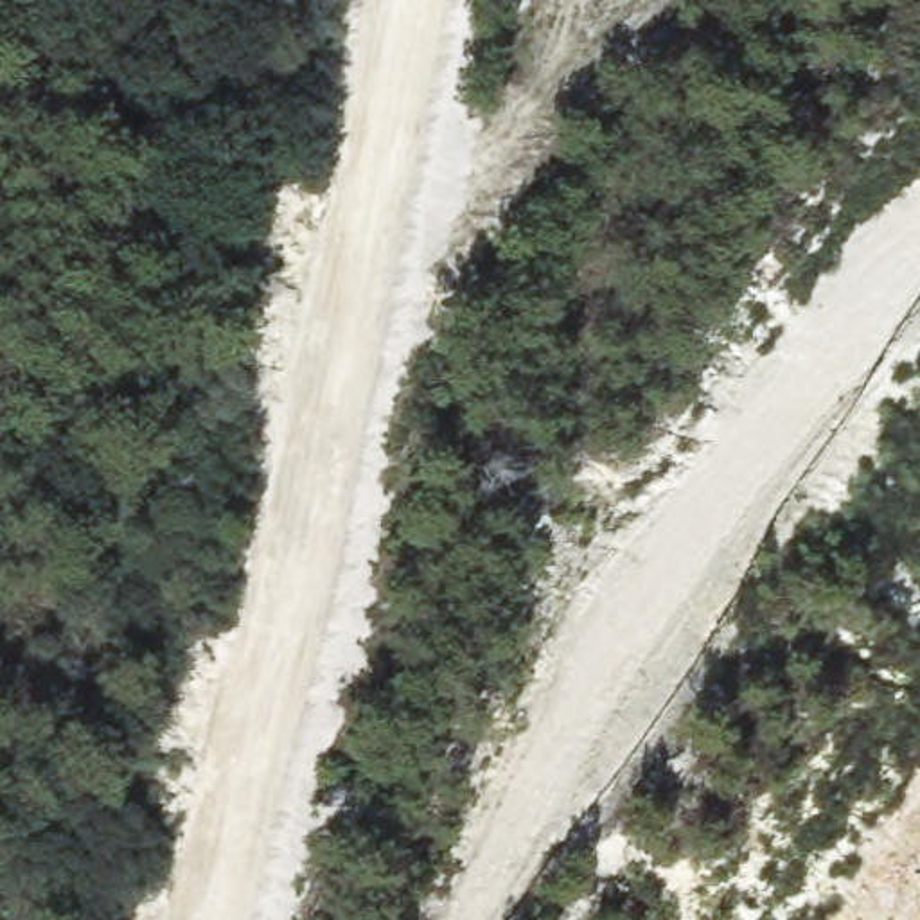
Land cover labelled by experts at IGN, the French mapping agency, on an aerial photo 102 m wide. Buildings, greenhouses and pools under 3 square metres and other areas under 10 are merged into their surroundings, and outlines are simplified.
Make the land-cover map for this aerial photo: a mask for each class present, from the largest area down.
<instances>
[{"label":"coniferous trees","instance_id":"1","mask_svg":"<svg viewBox=\"0 0 920 920\"><path fill-rule=\"evenodd\" d=\"M349 0H0V615H18L29 604L47 611L54 604L58 582H86L97 557L108 546H119V528H137L133 514L140 489L173 456H183V438L176 424L183 420V413L208 399L201 388L187 385L180 370L187 363H205V331L212 323H230L241 331L259 327L262 309L270 302V280L284 270V255L270 244L277 194L284 187H298L305 194H323L338 165L345 115ZM471 40L467 65L460 72V101L474 119L482 111H500L507 86L521 75L514 58L518 0H467ZM884 4L891 0H672L658 18H650L640 29L615 25L611 32H604L600 58L571 72L568 86L557 90L553 155L510 198V205H503L500 226L478 230L471 255L460 259V280L442 298V309L453 316V323L410 352L406 377L399 381V395L385 435L388 467L381 474L385 496L392 503L381 518L377 550L392 564L374 582V604L367 607V668L338 694L345 722L334 744L316 758L313 805H327L334 791H345V809L305 837V870L313 873V895L302 906L298 920H428L420 906L424 898H431L428 891L435 873H464L460 859H453V848L460 841L467 809L478 798L471 787V755L485 740V730L492 722V694L503 704L521 701L539 661V647L528 636L532 615L539 607L535 582L546 575L553 539L546 528H539V514H553L561 525H597V503H586V485L579 482V471L593 460L622 467L643 456L654 442V424L661 417L694 413L701 420V374L712 367L715 356L708 334L722 331V320L733 316L740 291L751 288V270L762 255H769L773 219L801 198V190L823 180L816 147L827 144L837 122L855 119L859 104L870 97L866 68L880 65V25L888 22ZM877 453L884 456V464L877 467L870 456H863L855 478L848 482V500L837 510H809L794 528L791 543H776V528L765 525L751 568L740 579V589L730 604L737 622L733 647L701 654V694L690 704H683L676 726L665 730V737L654 748H647L633 776V791L615 809L622 819V834L636 848H647L661 866H694L712 855H722L715 880H726L737 877L748 863V812L751 801L765 794L776 780L794 773L805 758H812L827 744V737L837 733L841 719H852L845 704L848 668H870L866 658L877 647L873 618L895 622L906 611L891 600L898 586L895 564H906L920 582V406H906L902 399L880 403ZM190 765V755L183 748L165 751L158 737L137 751V769L155 780L158 769H173L180 776ZM604 834L600 805H589L571 823L568 837L543 855L528 891L507 906L503 920H679L676 895L665 888L661 877L647 873L640 863H625L618 873L597 870V845Z\"/></svg>","mask_w":920,"mask_h":920},{"label":"pervious surface","instance_id":"2","mask_svg":"<svg viewBox=\"0 0 920 920\"><path fill-rule=\"evenodd\" d=\"M672 0H518L514 58L521 75L507 86L500 111H482L474 119L460 101V72L467 65L471 40L467 0H349L345 115L338 165L323 194H305L298 187H284L277 194L270 244L284 255V270L270 280V302L262 309L259 327L266 489L255 518V535L244 553L241 615L234 629L194 640V665L180 686L173 726L158 737L165 751L183 748L190 755V765L180 776L173 769H158L155 780L169 791L165 816L180 834L173 848V873L158 895L137 906V920H298L302 906L313 895V873L305 870V837L345 809V791H334L327 805H313L316 758L334 744L345 722L338 694L367 668V607L374 604V582L392 564L377 550L381 518L392 503L385 496L381 474L388 467L385 435L399 395V381L406 377L410 352L453 323V316L442 309V298L460 280V259L471 255L478 230L500 226L503 205H510V198L553 155L557 90L568 86L571 72L600 58L604 32H611L615 25L640 29L650 18H658ZM755 298L769 309V316L755 327L751 341L715 356L712 367L701 374V420L694 413L661 417L654 424V442L643 456L622 467L593 460L579 471V482L586 485V503H597V525H561L553 514H539V528H546L553 539L546 575L535 582L539 607L532 615L528 636L539 647V661L521 701L503 704L492 694V722L485 730V740L471 755V787L478 798L467 809L460 841L453 848V859H460L464 873H435L428 891L431 898H424L420 906L428 920H503L507 906L528 891L543 855L568 837L571 823L589 805H600L604 834L597 845V870L618 873L625 863H640L647 873L661 877L665 888L676 895L679 920H701L715 909L719 895L726 891H773V884L762 880V834L773 837L776 848H787L791 834L780 830L773 816V798L765 794L751 801L748 812V863L737 877L726 880H715L722 855H712L694 866H661L647 848H636L622 834V819L615 809L633 791V776L647 748H654L665 737V730L676 726L683 704H690L701 694V654L733 647L737 622L730 604L740 589V579L751 568L765 525L776 528V543H791L794 528L809 510H837L848 500V482L855 478L863 456H870L877 467L884 464V456L877 453L880 403L902 399L906 406H920V176L873 219H866L845 241L837 270L816 280L812 298L805 305L791 302L783 291L751 288ZM898 586L891 600L906 611L909 622H920V582L906 564H895ZM880 776L902 787L906 801L895 812L877 798L852 801L841 841L809 859L805 888L780 902L773 920H920V769H895V755L880 751Z\"/></svg>","mask_w":920,"mask_h":920},{"label":"brushwood","instance_id":"3","mask_svg":"<svg viewBox=\"0 0 920 920\"><path fill-rule=\"evenodd\" d=\"M888 22L880 25V65L866 68L870 97L859 104L855 119L837 122L827 144L816 147L823 180L801 190V198L805 205L823 208H834V201H841L866 219H873L920 176V0H891L884 4ZM259 327L241 331L230 323H212L205 331V363H187L180 370L187 385L201 388L208 399L183 413V420L176 424L183 438V456H173L140 489L133 514L137 528H119V546H108L97 557L86 582H58L54 604L47 611L29 604L18 615H0V920H137V906L158 895L173 873V848L180 834L165 816L169 791L155 780L137 769V751L158 737L173 726L180 686L194 665V640L234 629L241 615L244 553L255 535V518L266 489ZM877 647L866 658L870 668H848L845 704L852 719H841L837 733L827 737V744L812 758H805L794 773L776 780L765 794L773 798V816L780 830L791 834L787 848H776L773 837L762 834V880L773 884V891H726L719 895L715 909L701 920H773L780 902L805 888L809 859L841 841L852 801L877 798L895 812L906 801L902 787L880 776V751L895 755V769H920V622H909L906 611L895 622L873 618Z\"/></svg>","mask_w":920,"mask_h":920},{"label":"herbaceous vegetation","instance_id":"4","mask_svg":"<svg viewBox=\"0 0 920 920\"><path fill-rule=\"evenodd\" d=\"M866 219L841 201H834V208H823L805 205L801 198L773 219L769 255L780 259V273L787 280L783 291L791 302L805 305L812 298L816 280L837 270L845 241ZM769 316V309L755 298L751 288L740 291L733 316L722 320V331L708 334L715 356L751 341L755 327Z\"/></svg>","mask_w":920,"mask_h":920},{"label":"bare soil","instance_id":"5","mask_svg":"<svg viewBox=\"0 0 920 920\"><path fill-rule=\"evenodd\" d=\"M751 288L783 291L787 280L780 273V259L769 255H762L751 270Z\"/></svg>","mask_w":920,"mask_h":920}]
</instances>
